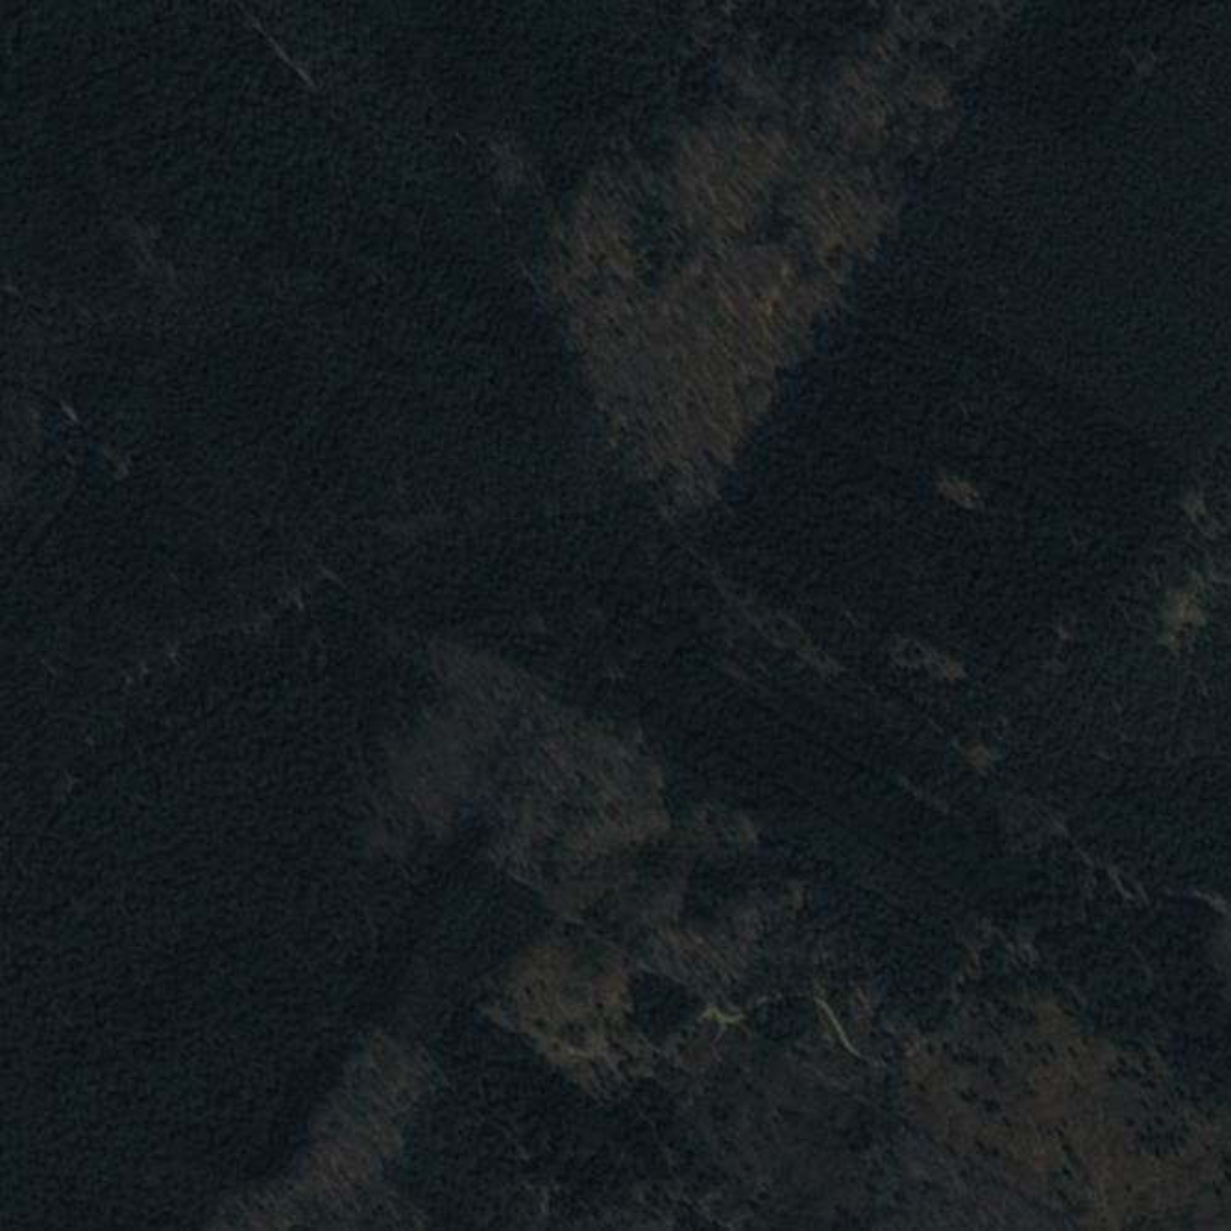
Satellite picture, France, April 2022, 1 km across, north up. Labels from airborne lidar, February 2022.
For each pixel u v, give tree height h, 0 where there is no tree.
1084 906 33
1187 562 15
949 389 22
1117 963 32
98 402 23
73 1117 21
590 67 24
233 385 18
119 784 31
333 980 26
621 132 19
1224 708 18
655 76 22
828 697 17
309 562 23
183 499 23
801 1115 10
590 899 8
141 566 22
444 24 19
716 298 24
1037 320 19
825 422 26
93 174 25
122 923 26
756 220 23
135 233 21
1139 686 17
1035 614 21
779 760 22
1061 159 22
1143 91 20
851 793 32
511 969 10
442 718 19
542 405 25
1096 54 29
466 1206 19
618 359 21
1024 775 21
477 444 23
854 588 20
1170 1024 39
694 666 29
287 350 21
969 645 28
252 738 27
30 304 23
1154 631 16
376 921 28
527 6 22
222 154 30
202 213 21
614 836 26
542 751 29
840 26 17
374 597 28
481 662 19
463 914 18
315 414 22
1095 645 16
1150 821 24
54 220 22
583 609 30
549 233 21
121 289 19
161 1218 23
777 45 15
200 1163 19
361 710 25
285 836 28
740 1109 9
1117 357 17
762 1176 9
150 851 29
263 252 19
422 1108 23
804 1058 11
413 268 27
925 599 23
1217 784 21
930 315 20
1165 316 19
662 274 7
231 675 22
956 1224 27
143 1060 27
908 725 19
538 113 21
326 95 14
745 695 26
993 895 18
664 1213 25
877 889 22
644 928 9
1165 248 19
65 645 20
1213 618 13
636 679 19
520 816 27
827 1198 9
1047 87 31
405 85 14
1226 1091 27
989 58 10
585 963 7
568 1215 13
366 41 16
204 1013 25
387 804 19
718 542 19
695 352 22
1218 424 18
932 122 17
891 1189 26
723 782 28
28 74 22
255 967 23
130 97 22
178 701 18
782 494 23
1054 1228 29
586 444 18
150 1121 23
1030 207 21
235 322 18
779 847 14
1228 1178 6
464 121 21
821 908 26
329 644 17
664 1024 19
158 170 22
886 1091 8
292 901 21
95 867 23
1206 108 17
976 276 21
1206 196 17
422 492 22
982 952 19
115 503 20
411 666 20
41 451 18
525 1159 24
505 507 22
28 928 29
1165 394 17
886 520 22
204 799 30
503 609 30
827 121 22
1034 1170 7
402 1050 26
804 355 20
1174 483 22
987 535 26
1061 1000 29
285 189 18
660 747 26
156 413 24
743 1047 7
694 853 13
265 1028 28
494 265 14
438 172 17
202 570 21
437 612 24
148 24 20
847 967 27
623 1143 16
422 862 22
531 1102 18
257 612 21
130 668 18
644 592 19
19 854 21
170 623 22
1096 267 19
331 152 29
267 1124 25
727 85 21
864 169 20
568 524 20
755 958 26
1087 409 22
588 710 15
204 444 22
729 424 21
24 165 26
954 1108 0
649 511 24
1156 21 29
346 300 21
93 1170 29
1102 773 21
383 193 30
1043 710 20
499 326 22
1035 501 14
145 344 21
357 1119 24
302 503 25
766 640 14
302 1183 20
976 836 15
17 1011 26
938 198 22
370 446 20
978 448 27
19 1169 21
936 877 19
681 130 21
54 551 20
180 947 26
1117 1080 14
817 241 24
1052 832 23
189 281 20
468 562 21
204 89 27
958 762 13
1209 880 22
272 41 11
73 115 22
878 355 23
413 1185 23
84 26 23
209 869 24
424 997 14
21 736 20
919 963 23
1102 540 23
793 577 23
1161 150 21
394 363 21
